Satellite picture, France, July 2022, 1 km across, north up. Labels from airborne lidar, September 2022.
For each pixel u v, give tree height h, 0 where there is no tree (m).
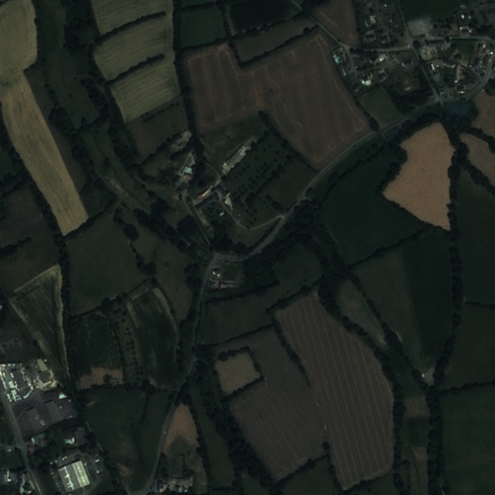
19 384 0
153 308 0
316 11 0
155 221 29
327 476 0
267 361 0
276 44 0
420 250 0
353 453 0
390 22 0
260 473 13
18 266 0
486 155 0
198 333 10
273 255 9
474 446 0
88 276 0
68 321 11
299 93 0
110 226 0
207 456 11
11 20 0
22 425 0
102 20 0
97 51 0
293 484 0
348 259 0
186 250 20
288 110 0
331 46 0
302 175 0
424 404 0
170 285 0
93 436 16
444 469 13
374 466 0
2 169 0
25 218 0
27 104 0
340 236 0
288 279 0
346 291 0
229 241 12
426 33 0
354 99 6
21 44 0
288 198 0
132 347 7
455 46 6
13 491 8
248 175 0
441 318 0
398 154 15
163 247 0
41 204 19
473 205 0
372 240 0
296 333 0
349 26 0
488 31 16
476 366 0
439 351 0
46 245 0
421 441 0
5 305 15
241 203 7
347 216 0
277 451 0
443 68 0
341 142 0
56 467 16
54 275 0
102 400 0
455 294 17
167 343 0
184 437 0
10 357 0
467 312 0
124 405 0
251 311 0
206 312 0
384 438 0
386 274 0
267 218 0
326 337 0
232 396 9
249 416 0
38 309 0
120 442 0
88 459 0
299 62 0
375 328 0
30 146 0
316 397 0
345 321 13
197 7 11
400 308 0
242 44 0
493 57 0
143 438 0
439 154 0
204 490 0
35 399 0
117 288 0
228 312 0
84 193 7
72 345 8
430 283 0
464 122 21
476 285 0
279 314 0
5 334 0
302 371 10
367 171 0
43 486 0
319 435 0
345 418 0
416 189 0
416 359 0
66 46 13
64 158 0
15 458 0
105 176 0
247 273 7
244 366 0
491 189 14
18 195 0
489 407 0
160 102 0
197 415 7
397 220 0
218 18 0
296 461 0
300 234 13
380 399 0
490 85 13
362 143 0
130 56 0
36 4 9
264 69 0
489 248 0
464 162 23
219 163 0
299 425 0
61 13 0
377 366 0
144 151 0
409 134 15
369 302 11
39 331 0
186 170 0
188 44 0
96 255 0
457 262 14
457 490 0
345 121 0
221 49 0
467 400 0
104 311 9
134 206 0
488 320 0
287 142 13
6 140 11
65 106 0
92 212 0
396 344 17
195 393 0
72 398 6
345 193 0
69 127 8
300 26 0
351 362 0
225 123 0
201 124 0
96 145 0
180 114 0
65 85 0
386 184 11
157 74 0
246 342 0
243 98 0
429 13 0
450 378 0
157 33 0
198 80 0
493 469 0
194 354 14
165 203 21
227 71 0
